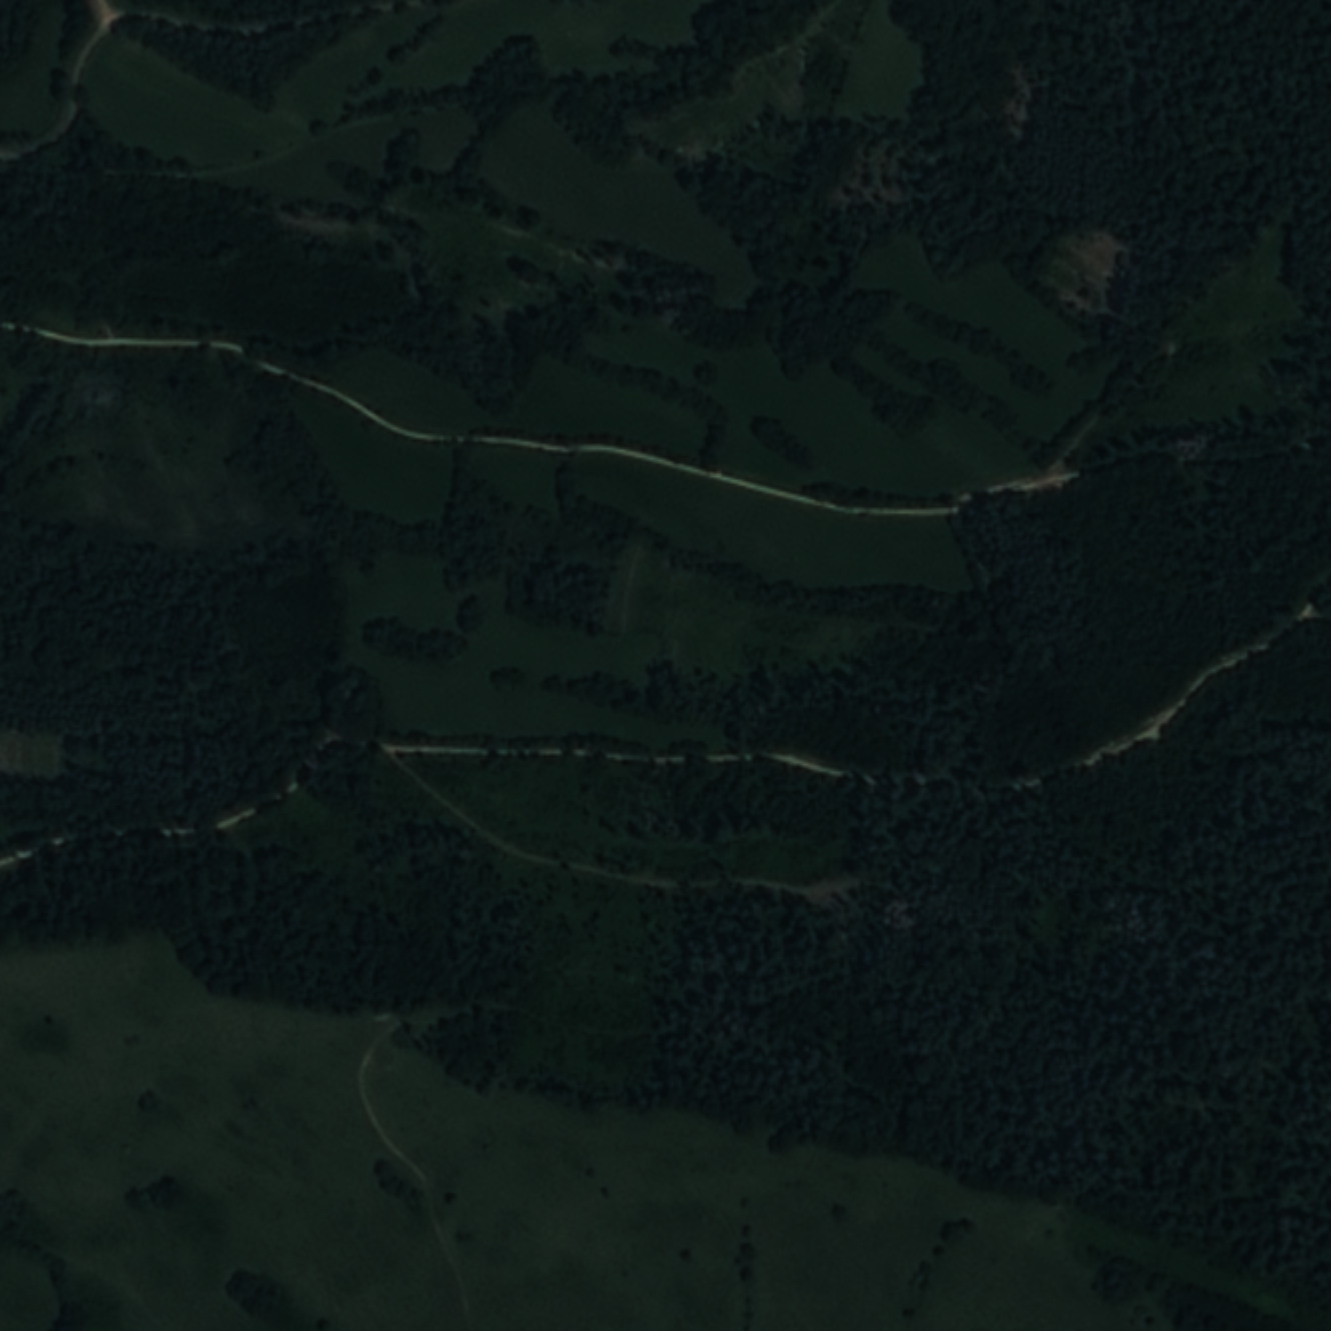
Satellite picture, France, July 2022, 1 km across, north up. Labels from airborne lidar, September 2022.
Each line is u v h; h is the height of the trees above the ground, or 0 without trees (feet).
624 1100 20
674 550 20
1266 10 46
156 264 60
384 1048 0
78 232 71
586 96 69
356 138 0
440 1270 0
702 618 0
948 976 106
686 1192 0
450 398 0
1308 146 75
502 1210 0
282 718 29
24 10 72
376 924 43
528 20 0
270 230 35
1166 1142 28
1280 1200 92
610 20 0
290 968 30
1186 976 43
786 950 33
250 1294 67
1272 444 59
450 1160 0
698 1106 52
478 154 42
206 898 80
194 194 44
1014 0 72
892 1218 0
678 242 0
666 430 0
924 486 0
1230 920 73
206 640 68
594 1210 0
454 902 38
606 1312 0
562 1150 0
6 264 39
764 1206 0
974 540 21
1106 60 65
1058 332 0
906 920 114
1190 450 88
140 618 90
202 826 68
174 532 0
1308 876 123
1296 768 94
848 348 50
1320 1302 30
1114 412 46
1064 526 34
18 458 48
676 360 0
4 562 75
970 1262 0
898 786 94
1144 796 41
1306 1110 84
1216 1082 80
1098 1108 97
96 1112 0
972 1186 48
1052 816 22
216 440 0
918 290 0
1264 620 54
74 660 42
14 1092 0
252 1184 0
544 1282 0
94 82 0
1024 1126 102
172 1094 0
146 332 33
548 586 78
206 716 61
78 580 71
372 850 53
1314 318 73
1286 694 43
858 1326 0
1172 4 78
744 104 0
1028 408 0
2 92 0
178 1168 0
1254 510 56
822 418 0
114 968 0
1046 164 82
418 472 0
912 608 30
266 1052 0
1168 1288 23
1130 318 101
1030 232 82
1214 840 112
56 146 32
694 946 76
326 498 33
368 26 39
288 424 26
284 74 52
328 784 70
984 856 37
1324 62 73
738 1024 81
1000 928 104
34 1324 0
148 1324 0
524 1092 52
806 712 39
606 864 60
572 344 50
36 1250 38
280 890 61
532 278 103
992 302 0
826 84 40
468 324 75
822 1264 0
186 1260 0
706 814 25
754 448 0
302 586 42
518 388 56
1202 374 0
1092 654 48
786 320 25
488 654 0
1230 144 86
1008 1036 78
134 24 63
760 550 0
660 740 0
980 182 47
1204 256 91
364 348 45
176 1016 0
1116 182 90
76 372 31
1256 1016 90
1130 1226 19
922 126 66
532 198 0
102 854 39
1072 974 94
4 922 81
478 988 36
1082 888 83
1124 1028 69
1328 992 107
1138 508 46
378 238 0
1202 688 18
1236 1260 35
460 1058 26
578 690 40
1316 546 43
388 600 0
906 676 39
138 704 80
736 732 59
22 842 43
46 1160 0
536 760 31
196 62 35
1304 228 65
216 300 21
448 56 0
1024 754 44
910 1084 44
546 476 0
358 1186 0
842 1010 101
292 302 18
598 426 0
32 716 80
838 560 0
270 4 55
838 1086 110
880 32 0
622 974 43
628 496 0
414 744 40
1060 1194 80
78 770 77
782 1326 0
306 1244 0
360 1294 0
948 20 72
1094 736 46
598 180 0
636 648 0
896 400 44
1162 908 62
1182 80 79
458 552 49
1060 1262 0
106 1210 0
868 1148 55
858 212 30
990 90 81
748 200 67
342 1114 0
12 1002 0
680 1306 0
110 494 0
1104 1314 0
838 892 0
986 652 40
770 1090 102
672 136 0
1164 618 42
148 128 0
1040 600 81
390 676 0
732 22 85
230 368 50
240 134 0
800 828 18
